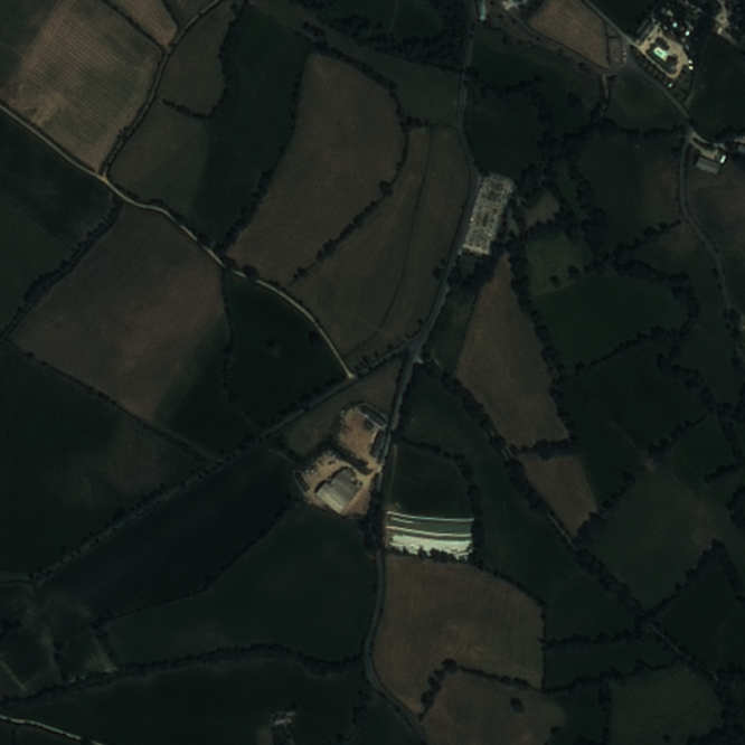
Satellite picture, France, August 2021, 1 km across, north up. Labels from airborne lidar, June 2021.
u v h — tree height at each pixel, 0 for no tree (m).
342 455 6
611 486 0
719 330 0
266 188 11
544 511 19
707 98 0
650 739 0
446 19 13
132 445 0
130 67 0
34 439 0
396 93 8
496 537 0
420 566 0
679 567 0
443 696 0
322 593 0
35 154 0
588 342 0
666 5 8
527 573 0
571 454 16
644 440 0
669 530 0
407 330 0
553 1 0
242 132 0
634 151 0
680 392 0
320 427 0
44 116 0
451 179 0
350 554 0
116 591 0
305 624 0
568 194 0
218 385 0
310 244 0
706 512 0
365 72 9
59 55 0
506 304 0
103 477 0
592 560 14
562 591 0
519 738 0
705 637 0
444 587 0
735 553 0
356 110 0
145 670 12
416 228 0
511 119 0
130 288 0
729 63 0
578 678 0
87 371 0
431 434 0
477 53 0
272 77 0
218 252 10
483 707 0
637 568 0
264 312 0
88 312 0
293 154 0
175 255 0
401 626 0
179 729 0
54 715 0
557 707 0
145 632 0
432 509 0
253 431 0
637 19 0
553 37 0
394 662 0
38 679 0
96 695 0
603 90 9
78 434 0
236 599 0
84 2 0
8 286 0
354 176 0
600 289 0
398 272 0
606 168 0
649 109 0
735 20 10
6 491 0
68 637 0
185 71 0
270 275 0
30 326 0
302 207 0
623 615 0
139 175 0
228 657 11
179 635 0
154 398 0
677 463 0
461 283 14
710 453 0
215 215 0
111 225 8
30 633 0
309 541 0
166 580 0
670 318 0
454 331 0
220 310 0
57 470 0
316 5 21
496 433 10
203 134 0
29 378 0
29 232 0
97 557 0
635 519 0
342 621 0
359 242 0
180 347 0
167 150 0
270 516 0
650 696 0
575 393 0
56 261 0
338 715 0
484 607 0
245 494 0
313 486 0
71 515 0
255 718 0
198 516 0
